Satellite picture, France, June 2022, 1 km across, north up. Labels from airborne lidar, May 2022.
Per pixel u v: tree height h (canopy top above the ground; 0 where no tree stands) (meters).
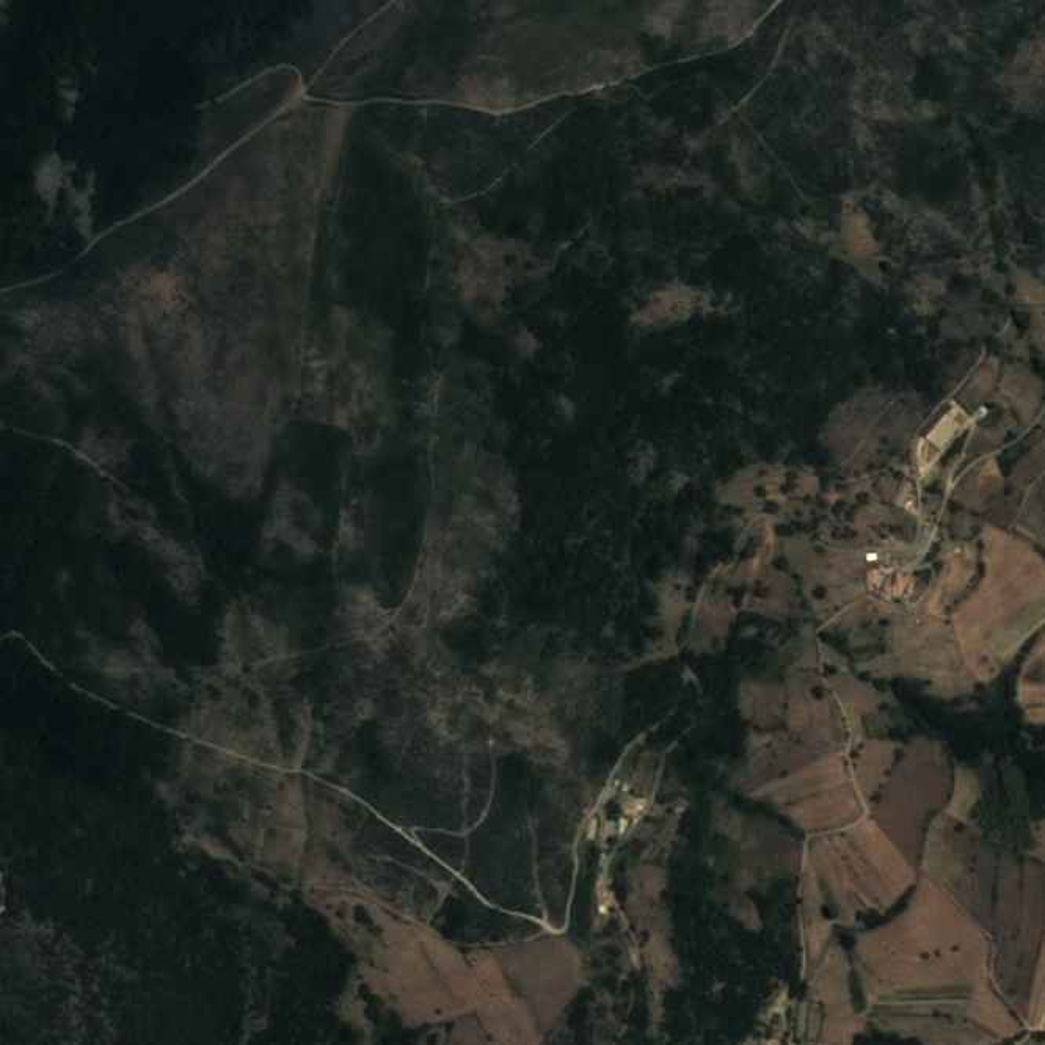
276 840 0
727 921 11
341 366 0
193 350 0
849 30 0
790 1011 7
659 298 0
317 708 7
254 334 0
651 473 10
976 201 0
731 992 9
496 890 0
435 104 0
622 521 8
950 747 8
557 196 9
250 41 7
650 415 12
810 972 0
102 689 7
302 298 0
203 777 0
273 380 0
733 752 7
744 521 0
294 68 0
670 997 11
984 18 0
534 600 11
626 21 0
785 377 9
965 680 0
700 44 0
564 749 0
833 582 0
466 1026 0
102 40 15
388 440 0
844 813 0
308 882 0
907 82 0
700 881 0
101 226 9
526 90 0
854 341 10
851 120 0
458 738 0
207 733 0
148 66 11
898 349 8
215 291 0
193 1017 6
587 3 0
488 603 6
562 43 0
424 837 0
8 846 8
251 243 0
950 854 0
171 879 10
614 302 13
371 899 0
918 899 0
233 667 0
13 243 7
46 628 8
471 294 0
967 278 12
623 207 9
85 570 6
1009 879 0
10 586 9
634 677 6
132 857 8
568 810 0
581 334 13
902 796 0
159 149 11
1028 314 9
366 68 0
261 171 0
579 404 10
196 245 0
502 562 6
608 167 11
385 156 0
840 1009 0
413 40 0
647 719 6
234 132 0
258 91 0
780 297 6
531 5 0
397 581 6
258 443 0
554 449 12
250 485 0
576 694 0
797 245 8
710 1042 11
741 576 0
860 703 0
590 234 7
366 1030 0
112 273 0
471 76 0
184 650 13
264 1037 9
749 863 0
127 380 0
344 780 0
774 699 0
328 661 8
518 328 0
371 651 0
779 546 0
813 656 0
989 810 10
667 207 7
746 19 0
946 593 0
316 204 0
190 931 10
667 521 12
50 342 0
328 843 0
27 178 18
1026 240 10
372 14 0
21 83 13
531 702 0
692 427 8
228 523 6
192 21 13
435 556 0
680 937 7
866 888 0
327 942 8
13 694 23
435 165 0
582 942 0
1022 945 0
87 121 11
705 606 0
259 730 0
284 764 0
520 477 7
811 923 0
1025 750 8
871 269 0
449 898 6
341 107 0
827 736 0
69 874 10
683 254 7
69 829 12
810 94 0
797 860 0
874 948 0
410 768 0
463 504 0
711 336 8
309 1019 8
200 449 0
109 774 17
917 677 0
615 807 7
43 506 12
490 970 0
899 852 0
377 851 0
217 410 0
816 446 12
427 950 0
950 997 0
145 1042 5
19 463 12
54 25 14
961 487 0
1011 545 0
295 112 0
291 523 0
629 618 10
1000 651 0
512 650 0
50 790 10
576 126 8
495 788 0
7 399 8
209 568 9
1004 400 0
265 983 10
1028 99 0
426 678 0
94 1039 7
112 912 8
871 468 7
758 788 0
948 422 0
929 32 0
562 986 0
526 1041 0
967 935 0
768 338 10
